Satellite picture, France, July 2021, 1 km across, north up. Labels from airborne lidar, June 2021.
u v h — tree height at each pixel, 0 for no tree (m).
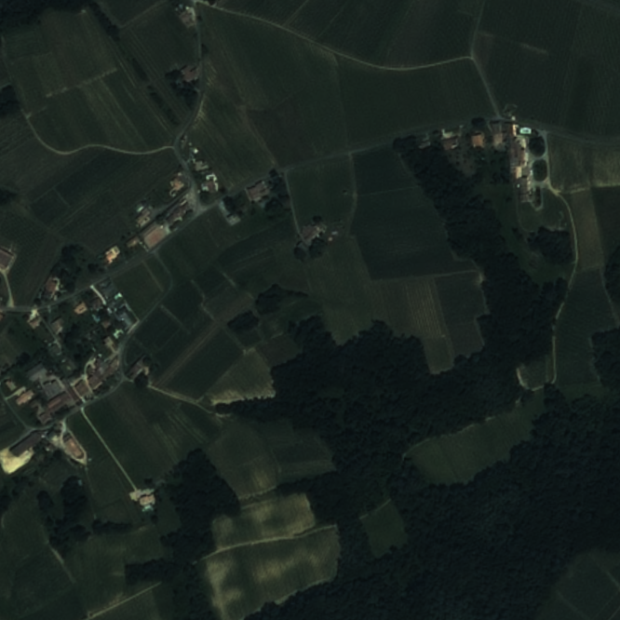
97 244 0
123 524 8
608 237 0
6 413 0
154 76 0
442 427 13
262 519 0
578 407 14
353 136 0
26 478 8
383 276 0
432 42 0
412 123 0
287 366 12
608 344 15
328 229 0
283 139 0
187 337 0
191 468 18
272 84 0
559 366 0
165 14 0
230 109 0
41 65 0
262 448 0
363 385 13
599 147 0
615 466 22
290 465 0
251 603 0
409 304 0
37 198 0
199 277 0
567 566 17
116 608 0
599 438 18
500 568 26
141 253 0
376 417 10
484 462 0
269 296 10
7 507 15
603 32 0
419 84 0
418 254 0
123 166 0
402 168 0
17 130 0
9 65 0
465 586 15
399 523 0
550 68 0
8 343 0
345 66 0
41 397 6
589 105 0
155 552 0
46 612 0
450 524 30
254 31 0
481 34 0
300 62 0
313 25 0
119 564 0
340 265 0
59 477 0
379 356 21
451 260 0
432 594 20
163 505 0
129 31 0
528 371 0
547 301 23
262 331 0
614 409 11
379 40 0
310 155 0
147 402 0
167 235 0
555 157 0
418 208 0
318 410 18
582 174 0
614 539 13
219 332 0
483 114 0
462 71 0
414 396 19
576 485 17
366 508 7
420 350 17
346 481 13
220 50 0
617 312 0
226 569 0
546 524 16
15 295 0
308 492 9
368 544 19
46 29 0
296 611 23
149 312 0
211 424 0
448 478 0
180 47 0
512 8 0
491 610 11
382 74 0
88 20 0
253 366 0
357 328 0
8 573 0
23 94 0
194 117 0
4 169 0
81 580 0
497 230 18
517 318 24
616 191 0
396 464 17
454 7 0
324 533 0
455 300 0
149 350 0
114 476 0
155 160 0
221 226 0
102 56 0
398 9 0
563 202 0
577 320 0
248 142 0
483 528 25
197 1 0
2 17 12
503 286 16
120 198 0
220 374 0
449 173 13
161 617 0
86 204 0
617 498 19
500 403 25
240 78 0
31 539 0
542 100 0
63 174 0
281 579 0
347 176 0
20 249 0
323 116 0
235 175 0
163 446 0
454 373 15
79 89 0
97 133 0
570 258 19
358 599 22
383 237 0
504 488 22
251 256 0
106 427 0
